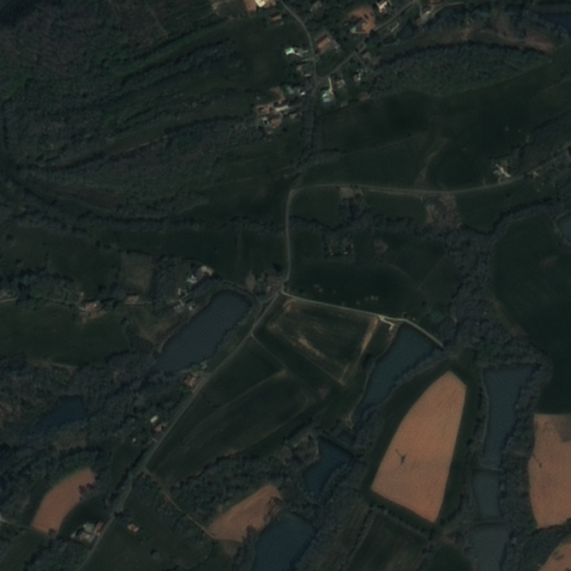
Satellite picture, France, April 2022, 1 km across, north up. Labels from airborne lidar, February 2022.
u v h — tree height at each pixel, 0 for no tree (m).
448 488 0
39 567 18
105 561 0
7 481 14
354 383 0
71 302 17
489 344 22
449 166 0
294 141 0
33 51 28
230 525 0
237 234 7
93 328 0
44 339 0
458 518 16
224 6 0
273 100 0
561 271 0
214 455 0
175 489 10
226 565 0
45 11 24
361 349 0
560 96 0
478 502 0
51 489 8
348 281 0
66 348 0
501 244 0
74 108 22
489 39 0
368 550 0
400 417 0
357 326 0
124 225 16
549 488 0
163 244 0
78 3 20
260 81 0
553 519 0
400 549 0
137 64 21
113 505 17
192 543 6
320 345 0
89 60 23
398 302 0
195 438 0
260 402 0
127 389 26
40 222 11
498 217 0
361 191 0
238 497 18
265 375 0
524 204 0
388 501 0
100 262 0
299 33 0
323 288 0
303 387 0
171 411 11
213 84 0
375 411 19
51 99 20
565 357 0
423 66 25
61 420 0
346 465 6
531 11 22
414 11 0
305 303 0
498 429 0
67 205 0
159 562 0
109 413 23
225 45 17
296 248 0
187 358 0
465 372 0
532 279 0
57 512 0
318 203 0
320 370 0
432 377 0
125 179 25
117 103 22
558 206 13
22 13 23
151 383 18
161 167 22
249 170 0
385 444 0
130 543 0
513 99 0
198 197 19
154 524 0
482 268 20
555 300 0
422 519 0
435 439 0
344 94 0
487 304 6
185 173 22
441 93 19
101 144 10
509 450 20
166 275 17
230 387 0
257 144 10
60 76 23
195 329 0
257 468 19
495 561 0
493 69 26
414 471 0
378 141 0
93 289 0
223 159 11
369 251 0
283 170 0
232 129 8
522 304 0
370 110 0
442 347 0
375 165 0
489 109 0
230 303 0
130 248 0
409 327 0
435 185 0
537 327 0
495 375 0
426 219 0
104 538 0
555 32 21
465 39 16
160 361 0
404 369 0
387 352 0
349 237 11
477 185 0
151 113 15
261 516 0
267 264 0
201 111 0
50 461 21
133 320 0
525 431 10
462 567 0
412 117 0
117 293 20
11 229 0
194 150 24
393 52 0
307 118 14
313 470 0
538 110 0
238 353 0
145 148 0
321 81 0
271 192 0
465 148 0
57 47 25
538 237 0
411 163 0
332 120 0
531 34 0
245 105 0
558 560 0
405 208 0
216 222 0
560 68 0
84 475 0
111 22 21
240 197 0
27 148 26
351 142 0
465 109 0
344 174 0
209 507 10
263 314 0
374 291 0
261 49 0
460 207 0
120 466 0
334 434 14
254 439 0
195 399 0
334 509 30
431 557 13
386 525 0
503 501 19
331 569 0
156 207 15
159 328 0
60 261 0
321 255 0
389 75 21
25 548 0
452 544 0
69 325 0
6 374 21
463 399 0
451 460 0
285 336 0
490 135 0
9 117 24
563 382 0
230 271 0
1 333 0
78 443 0
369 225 14
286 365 0
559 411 0
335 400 0
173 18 11
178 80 23
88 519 0
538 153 9
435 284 0
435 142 0
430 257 0
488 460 0
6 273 6
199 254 0
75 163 0
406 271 0
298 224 18
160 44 0
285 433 0
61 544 18
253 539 16
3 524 0
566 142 9
